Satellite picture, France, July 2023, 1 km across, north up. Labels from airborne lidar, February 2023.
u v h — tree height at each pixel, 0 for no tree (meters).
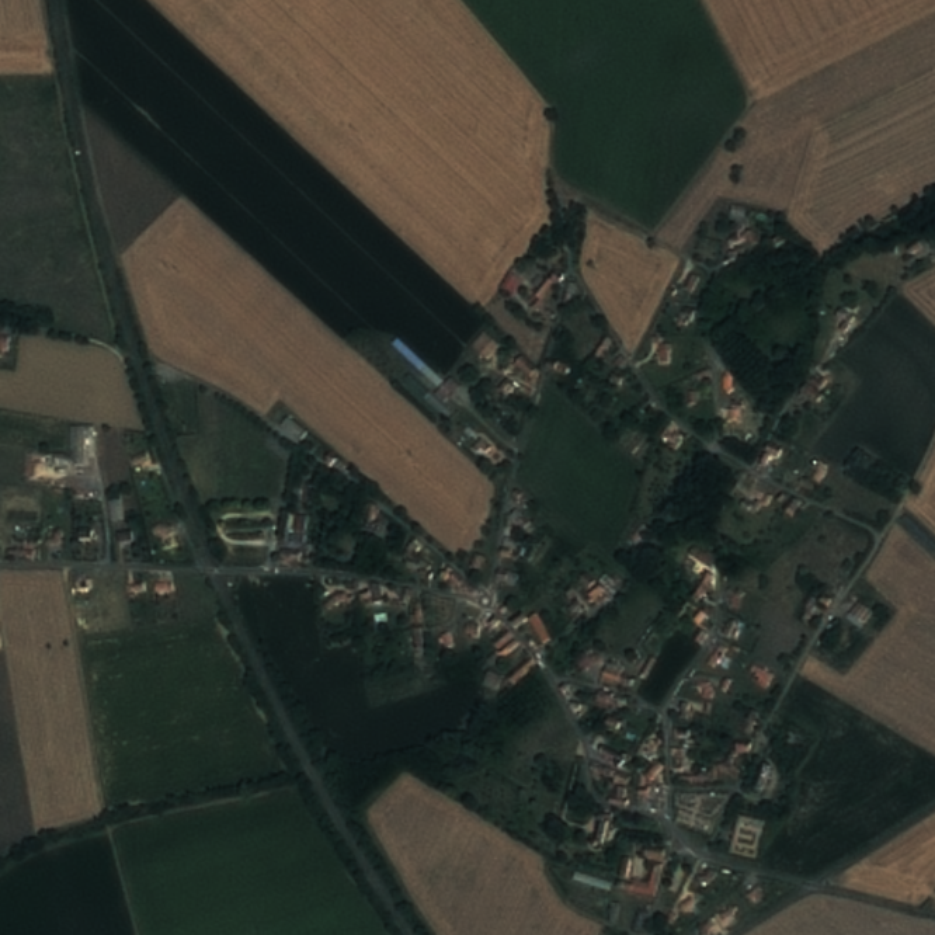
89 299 0
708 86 0
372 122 0
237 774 0
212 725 0
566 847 21
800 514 8
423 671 0
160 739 0
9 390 0
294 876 0
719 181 0
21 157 0
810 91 0
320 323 0
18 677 0
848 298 11
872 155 0
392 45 0
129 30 0
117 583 0
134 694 0
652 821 8
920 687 0
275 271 0
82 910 0
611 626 0
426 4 0
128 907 0
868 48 0
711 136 0
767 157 0
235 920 0
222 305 0
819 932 0
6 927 0
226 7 0
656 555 26
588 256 0
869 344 0
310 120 0
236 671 0
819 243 0
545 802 0
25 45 0
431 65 0
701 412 0
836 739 0
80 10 0
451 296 0
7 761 0
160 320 0
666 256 0
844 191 0
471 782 0
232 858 0
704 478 22
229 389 0
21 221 0
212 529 11
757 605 0
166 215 0
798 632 0
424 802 0
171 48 0
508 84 0
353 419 0
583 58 0
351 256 0
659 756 7
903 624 0
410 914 16
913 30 0
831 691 0
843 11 0
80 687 0
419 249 0
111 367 0
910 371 0
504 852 0
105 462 0
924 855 0
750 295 0
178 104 0
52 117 0
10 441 0
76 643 0
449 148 0
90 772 0
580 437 0
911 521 0
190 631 0
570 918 0
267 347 0
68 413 0
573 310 15
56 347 0
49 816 0
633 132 0
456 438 0
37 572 0
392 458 0
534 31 0
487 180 0
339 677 0
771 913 0
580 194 0
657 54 0
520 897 0
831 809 0
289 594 0
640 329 0
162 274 0
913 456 0
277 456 0
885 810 0
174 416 0
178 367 0
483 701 0
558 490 0
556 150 0
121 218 0
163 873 0
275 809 0
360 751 0
